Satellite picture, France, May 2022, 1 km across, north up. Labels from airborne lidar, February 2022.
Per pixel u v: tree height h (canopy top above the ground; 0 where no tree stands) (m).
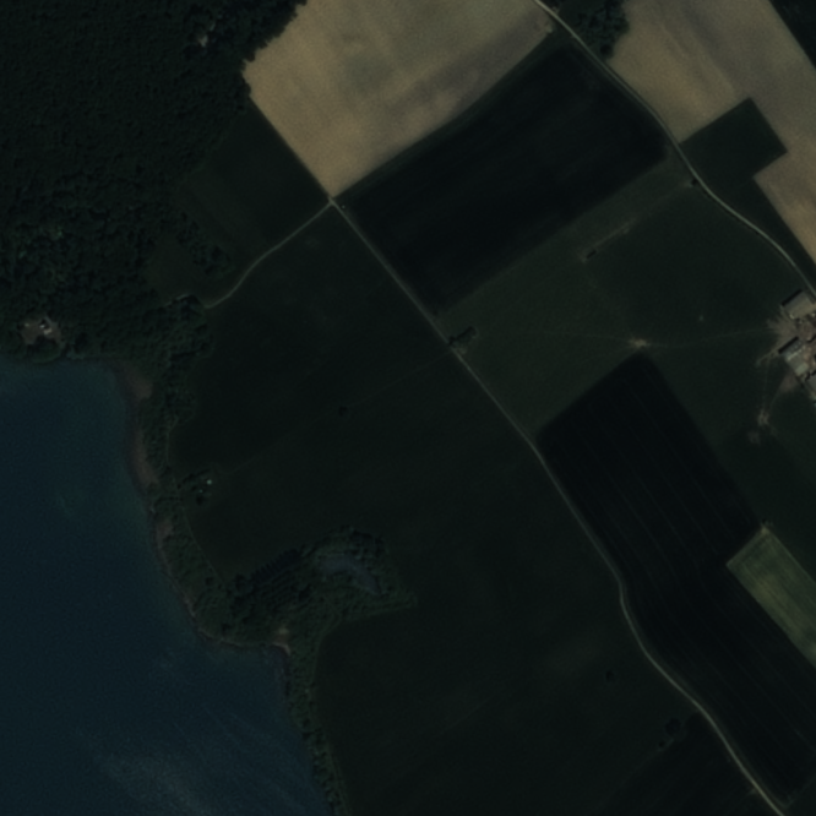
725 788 0
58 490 0
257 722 0
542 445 0
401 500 0
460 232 0
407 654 0
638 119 0
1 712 0
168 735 0
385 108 0
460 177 0
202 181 0
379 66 0
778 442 0
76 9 22
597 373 0
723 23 0
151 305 15
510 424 0
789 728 0
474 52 0
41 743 0
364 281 0
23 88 19
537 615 0
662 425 0
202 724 0
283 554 0
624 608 0
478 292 0
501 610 0
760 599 0
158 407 6
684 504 0
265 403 0
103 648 0
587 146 0
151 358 5
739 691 0
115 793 0
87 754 0
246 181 0
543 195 0
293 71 0
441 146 0
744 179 0
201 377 0
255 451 0
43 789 0
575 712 0
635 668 0
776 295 0
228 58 24
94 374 0
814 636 0
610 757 0
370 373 0
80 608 0
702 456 0
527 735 0
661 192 0
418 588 0
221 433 0
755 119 0
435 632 0
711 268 0
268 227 0
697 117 0
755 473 0
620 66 0
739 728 0
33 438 0
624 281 0
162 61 18
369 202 0
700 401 0
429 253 0
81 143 14
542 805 0
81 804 0
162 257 0
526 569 0
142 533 0
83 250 26
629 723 0
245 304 0
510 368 0
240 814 0
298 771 0
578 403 0
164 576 0
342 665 0
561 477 0
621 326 0
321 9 0
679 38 0
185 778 0
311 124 0
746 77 0
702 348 0
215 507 0
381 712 0
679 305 0
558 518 0
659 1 0
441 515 0
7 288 26
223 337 0
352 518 0
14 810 0
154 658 0
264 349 0
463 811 0
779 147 0
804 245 0
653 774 0
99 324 16
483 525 0
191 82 23
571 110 0
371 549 6
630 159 0
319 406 0
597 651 0
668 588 0
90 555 0
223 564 0
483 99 0
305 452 0
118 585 0
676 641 0
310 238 0
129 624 0
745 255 0
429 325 0
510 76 0
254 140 0
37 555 0
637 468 0
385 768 0
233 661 0
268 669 0
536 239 0
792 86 0
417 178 0
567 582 0
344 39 0
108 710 0
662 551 0
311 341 0
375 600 6
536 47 0
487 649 0
